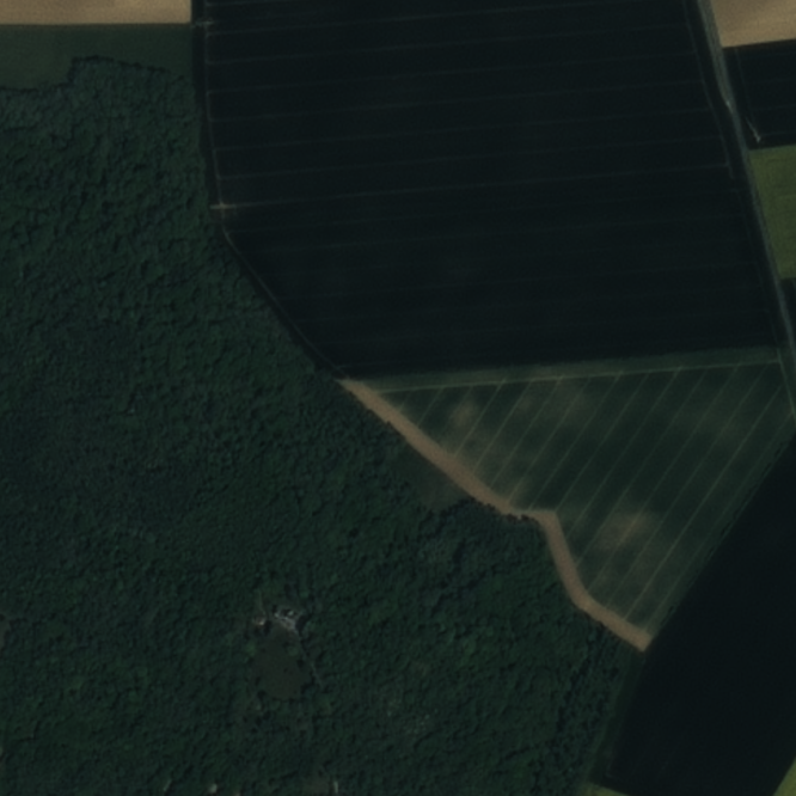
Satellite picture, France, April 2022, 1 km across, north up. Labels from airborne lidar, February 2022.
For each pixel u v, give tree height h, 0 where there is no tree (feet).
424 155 0
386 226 0
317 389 72
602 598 0
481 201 0
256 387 62
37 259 71
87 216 68
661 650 0
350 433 76
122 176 57
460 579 77
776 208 0
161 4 0
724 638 0
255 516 57
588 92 0
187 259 52
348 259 0
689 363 0
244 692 57
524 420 0
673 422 0
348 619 57
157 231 66
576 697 34
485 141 0
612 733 0
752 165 0
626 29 0
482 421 0
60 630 66
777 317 0
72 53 0
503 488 0
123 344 60
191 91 69
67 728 45
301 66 0
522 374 0
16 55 0
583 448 0
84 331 35
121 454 54
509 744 77
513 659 54
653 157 0
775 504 0
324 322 0
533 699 67
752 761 0
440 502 0
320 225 0
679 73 0
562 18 0
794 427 0
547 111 0
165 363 47
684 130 0
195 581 51
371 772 45
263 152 0
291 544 70
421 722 28
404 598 78
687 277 0
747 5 0
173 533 58
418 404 0
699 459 0
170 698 60
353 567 65
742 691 0
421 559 69
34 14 0
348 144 0
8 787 24
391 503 59
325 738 46
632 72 0
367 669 49
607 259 0
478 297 0
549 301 0
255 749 43
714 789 0
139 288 39
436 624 73
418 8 0
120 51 0
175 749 68
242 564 54
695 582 0
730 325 0
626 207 0
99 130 98
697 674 0
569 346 0
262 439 77
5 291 82
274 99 0
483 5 0
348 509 69
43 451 58
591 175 0
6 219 92
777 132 0
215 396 60
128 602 30
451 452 0
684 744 0
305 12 0
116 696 28
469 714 56
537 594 64
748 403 0
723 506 0
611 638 71
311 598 67
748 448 0
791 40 0
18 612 41
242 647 70
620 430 0
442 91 0
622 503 0
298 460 76
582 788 85
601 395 0
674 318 0
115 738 52
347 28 0
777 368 0
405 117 0
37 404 60
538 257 0
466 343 0
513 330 0
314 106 0
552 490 0
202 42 0
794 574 0
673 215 0
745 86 0
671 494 0
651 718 0
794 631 0
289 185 0
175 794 46
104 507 61
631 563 0
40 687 58
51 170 85
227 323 70
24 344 55
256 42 0
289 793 47
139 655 35
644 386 0
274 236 0
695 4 0
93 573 46
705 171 0
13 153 86
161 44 0
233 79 0
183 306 72
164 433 50
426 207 0
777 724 0
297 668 0
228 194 0
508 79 0
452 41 0
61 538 29
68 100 76
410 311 0
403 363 0
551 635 79
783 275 0
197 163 71
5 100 51
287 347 77
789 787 0
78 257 27
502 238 0
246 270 0
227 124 0
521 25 0
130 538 66
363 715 59
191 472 57
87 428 53
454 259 0
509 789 71
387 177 0
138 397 31
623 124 0
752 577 0
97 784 66
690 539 0
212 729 32
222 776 21
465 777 61
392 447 63
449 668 52
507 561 83
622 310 0
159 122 79
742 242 0
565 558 0
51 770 64
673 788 0
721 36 0
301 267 0
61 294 19
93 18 0
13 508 28
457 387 0
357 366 0
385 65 0
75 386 49
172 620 54
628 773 0
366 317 0
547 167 0
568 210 0
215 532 60
